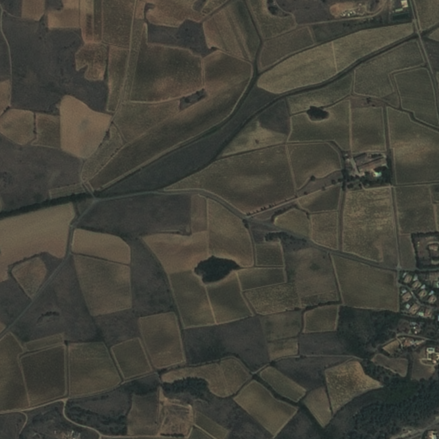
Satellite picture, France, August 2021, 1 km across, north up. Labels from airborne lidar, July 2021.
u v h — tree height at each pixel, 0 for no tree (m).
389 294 0
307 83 0
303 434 0
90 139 0
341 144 0
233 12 0
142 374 0
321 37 0
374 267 0
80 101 0
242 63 0
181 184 0
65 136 0
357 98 0
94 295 0
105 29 0
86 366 0
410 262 0
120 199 0
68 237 0
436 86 0
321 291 0
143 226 0
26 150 0
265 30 0
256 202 0
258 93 0
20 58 0
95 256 0
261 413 0
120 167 0
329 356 0
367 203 0
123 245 0
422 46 0
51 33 0
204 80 0
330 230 0
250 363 0
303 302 0
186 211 0
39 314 0
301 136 0
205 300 0
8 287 0
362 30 0
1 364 0
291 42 0
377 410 12
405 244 0
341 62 0
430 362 0
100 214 0
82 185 0
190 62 0
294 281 0
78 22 0
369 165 0
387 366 0
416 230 0
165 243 0
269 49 0
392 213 0
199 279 0
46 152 0
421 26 0
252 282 0
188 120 0
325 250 0
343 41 0
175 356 0
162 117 0
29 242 0
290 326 0
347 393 0
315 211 0
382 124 0
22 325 0
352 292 0
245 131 0
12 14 0
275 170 0
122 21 0
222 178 0
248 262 0
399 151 0
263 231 0
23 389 0
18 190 0
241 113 0
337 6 0
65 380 0
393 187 0
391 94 0
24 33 0
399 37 0
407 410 9
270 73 0
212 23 0
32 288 0
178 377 0
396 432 10
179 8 0
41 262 0
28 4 0
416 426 7
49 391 0
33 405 0
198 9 0
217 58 0
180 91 0
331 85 0
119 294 0
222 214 0
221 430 0
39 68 0
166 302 0
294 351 0
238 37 0
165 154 0
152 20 0
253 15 0
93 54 0
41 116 0
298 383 0
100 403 0
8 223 0
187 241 0
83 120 0
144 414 0
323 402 0
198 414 0
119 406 0
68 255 0
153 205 0
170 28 0
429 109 0
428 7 0
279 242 0
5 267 0
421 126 0
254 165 0
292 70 0
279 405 0
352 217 0
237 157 0
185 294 0
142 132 0
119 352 0
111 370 0
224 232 0
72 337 0
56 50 0
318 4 0
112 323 0
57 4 0
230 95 0
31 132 0
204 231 0
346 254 0
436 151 0
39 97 0
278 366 0
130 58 0
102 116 0
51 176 0
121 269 0
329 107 0
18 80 0
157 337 0
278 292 0
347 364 0
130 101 0
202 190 0
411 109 0
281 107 0
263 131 0
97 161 0
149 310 0
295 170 0
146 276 0
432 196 0
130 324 0
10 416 0
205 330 0
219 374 0
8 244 0
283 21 0
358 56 0
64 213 0
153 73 0
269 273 0
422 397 12
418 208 0
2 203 0
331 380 0
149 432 0
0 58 0
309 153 0
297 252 0
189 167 0
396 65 0
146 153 0
